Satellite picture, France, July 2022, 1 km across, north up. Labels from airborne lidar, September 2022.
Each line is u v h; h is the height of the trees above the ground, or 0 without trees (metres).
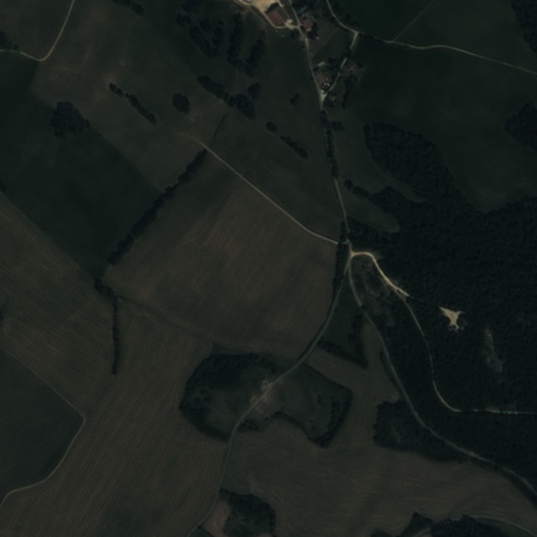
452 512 0
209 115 0
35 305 0
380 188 0
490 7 0
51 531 0
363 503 0
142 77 0
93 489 0
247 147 0
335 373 0
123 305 0
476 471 0
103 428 0
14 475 0
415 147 23
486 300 7
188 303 0
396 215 14
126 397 0
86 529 0
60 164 0
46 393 0
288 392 0
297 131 0
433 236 18
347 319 0
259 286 0
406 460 0
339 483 0
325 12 9
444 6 0
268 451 0
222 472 0
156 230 0
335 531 0
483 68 0
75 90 0
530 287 16
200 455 0
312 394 0
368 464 0
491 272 14
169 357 0
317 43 0
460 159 0
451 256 18
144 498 0
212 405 0
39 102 0
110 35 0
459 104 0
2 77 0
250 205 0
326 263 0
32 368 0
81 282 0
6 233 0
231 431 0
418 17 0
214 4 0
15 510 0
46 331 0
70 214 0
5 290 0
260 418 0
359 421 0
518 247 22
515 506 0
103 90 0
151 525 0
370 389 0
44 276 0
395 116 0
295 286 0
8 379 0
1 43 14
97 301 0
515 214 22
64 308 0
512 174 0
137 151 0
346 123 0
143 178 0
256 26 0
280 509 0
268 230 0
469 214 23
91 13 0
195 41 18
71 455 0
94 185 0
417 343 11
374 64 0
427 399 11
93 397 0
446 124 0
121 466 0
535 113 20
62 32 0
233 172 0
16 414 0
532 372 13
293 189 0
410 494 0
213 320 0
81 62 0
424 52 0
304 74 0
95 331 0
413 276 16
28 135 0
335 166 13
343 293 0
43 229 0
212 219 0
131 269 0
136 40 0
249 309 0
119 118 0
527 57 0
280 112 0
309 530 0
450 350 7
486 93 0
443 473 0
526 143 21
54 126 14
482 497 0
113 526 0
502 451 13
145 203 0
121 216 0
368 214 0
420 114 0
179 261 0
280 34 0
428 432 14
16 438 0
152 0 0
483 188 0
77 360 0
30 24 0
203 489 0
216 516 0
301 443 0
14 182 0
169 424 0
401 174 19
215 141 0
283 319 0
